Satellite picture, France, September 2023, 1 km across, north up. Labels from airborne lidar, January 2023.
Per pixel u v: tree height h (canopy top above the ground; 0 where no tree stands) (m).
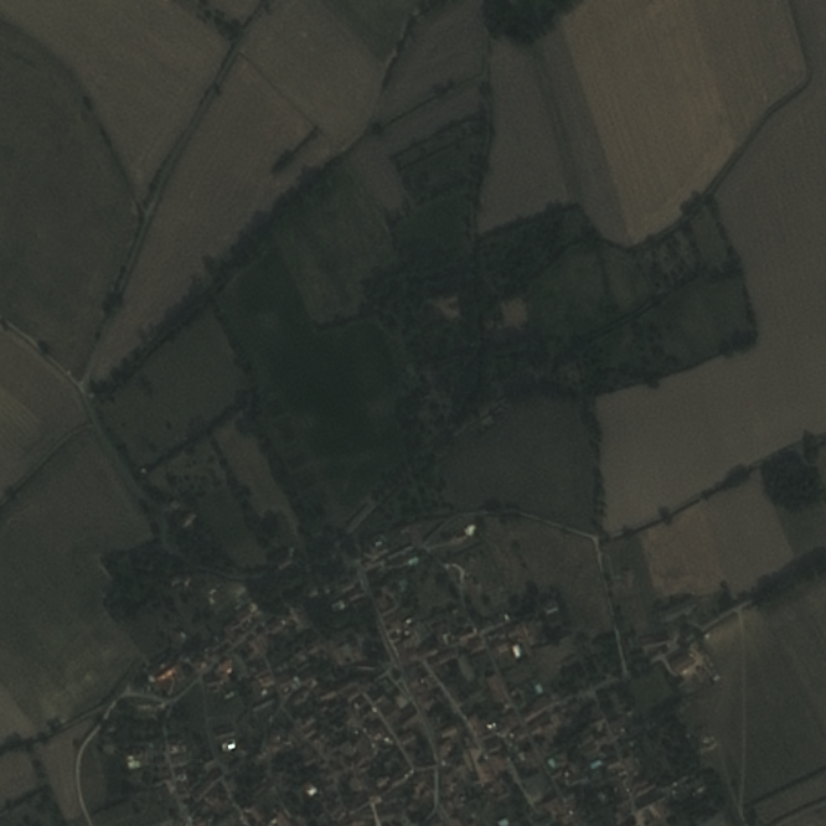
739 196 0
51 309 0
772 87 0
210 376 0
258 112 0
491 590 0
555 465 0
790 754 0
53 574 0
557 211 13
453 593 13
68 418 0
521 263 11
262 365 0
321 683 8
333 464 0
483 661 0
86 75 0
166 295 0
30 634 0
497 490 0
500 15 24
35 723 0
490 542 0
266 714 0
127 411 0
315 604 11
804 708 0
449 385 8
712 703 0
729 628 0
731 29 0
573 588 0
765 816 0
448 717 9
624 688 8
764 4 0
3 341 0
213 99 0
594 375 0
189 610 0
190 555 17
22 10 0
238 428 7
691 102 0
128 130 0
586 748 0
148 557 9
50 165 0
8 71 0
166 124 0
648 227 0
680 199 0
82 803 0
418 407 13
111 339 0
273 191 0
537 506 0
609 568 0
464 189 10
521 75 0
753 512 0
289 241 0
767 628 0
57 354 0
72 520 0
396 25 0
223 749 8
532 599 11
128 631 0
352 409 0
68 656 0
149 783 8
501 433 0
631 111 0
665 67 0
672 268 0
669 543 0
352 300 0
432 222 0
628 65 0
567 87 0
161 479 0
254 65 0
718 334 0
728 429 0
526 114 0
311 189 23
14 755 0
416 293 13
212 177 0
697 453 0
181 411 0
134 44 0
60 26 0
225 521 0
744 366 0
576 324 0
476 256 10
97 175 0
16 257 0
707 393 0
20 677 0
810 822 0
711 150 0
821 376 0
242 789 7
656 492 0
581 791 7
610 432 0
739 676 0
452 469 0
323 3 0
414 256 20
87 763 0
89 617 0
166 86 0
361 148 0
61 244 0
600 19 0
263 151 0
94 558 0
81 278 0
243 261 15
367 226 0
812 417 0
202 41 0
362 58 0
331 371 0
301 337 0
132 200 0
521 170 0
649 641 0
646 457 0
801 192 0
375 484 0
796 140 0
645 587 0
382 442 0
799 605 0
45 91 0
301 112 0
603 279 0
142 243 0
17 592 0
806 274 0
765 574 0
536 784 0
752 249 0
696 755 8
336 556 0
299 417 0
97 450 0
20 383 0
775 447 0
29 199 0
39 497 0
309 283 0
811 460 11
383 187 0
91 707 0
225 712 0
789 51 0
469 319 19
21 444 0
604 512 10
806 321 0
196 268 0
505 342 18
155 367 0
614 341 0
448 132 6
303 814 12
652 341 6
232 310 0
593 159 0
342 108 0
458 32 0
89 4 0
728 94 0
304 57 0
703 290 0
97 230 0
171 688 0
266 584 10
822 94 0
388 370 0
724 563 0
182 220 0
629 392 0
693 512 0
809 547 0
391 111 0
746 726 0
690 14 0
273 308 0
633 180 0
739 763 0
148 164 0
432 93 0
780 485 15
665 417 0
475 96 0
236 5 0
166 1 0
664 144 0
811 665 0
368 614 13
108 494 0
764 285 0
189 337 0
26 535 0
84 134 0
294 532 0
